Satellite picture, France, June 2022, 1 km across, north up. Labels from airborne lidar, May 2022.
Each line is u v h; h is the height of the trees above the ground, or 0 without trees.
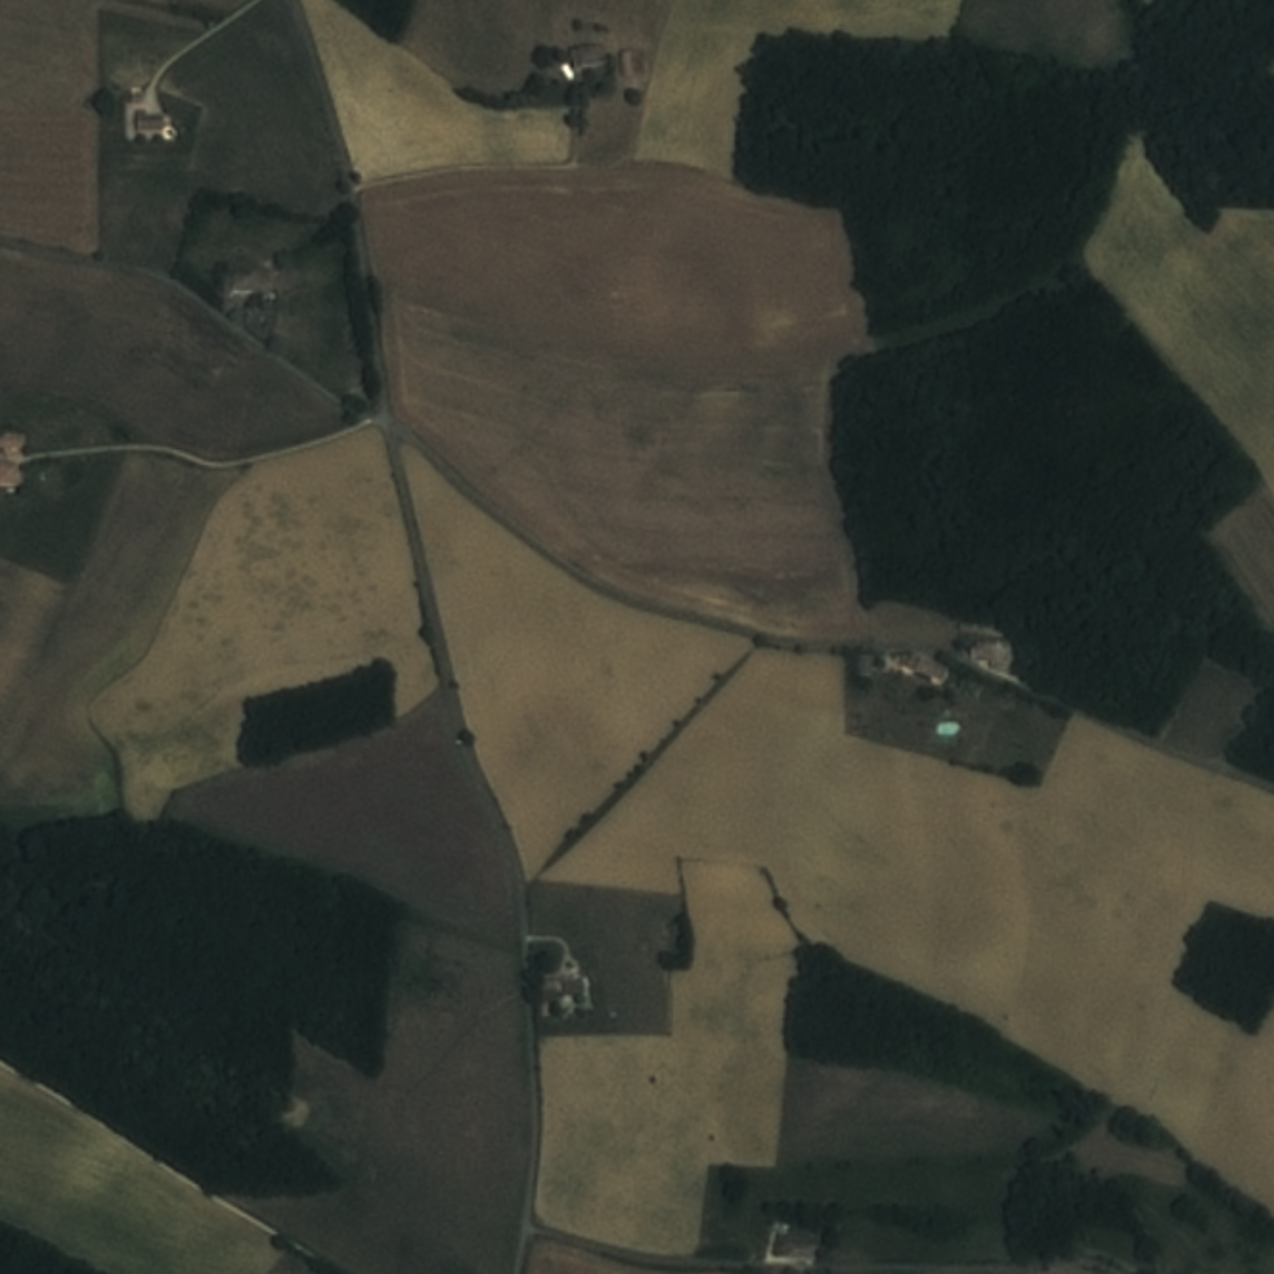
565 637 0
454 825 0
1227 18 21
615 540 0
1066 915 0
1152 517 16
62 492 0
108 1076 21
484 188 0
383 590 0
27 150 0
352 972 17
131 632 0
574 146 0
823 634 0
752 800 0
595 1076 0
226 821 0
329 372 0
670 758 0
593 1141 0
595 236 0
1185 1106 0
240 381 0
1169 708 10
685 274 0
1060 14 0
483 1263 0
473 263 0
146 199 0
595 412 0
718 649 0
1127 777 0
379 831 0
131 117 0
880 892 0
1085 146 12
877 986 21
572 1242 0
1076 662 16
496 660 0
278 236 0
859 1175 0
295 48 0
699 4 0
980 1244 0
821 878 0
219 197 6
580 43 0
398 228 0
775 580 0
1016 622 18
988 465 12
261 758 14
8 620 0
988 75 21
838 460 12
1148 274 0
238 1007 20
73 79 0
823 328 0
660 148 0
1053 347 11
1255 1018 17
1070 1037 0
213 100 0
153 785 0
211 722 0
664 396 0
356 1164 0
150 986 25
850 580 0
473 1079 0
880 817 0
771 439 0
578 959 0
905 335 0
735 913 0
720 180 0
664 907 0
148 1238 0
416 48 0
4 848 28
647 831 0
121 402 0
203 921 18
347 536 0
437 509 0
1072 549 16
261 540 0
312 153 0
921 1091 0
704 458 0
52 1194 0
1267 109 23
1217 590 10
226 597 0
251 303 8
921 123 26
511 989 0
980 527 13
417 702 0
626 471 0
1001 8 0
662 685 0
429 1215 0
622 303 0
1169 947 0
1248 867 0
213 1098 21
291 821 0
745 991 0
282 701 15
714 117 0
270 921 20
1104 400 12
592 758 0
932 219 7
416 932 0
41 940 21
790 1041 11
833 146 25
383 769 0
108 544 0
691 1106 0
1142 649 16
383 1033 8
